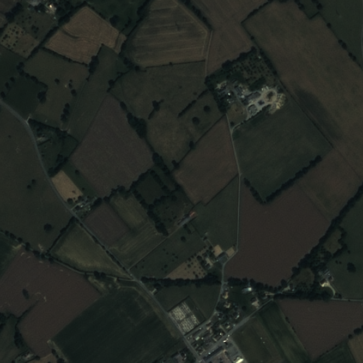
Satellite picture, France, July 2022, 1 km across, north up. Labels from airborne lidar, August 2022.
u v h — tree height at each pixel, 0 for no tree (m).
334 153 0
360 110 0
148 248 0
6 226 0
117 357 0
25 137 0
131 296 0
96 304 0
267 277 0
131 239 0
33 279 0
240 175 0
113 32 0
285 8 0
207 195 0
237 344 0
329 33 0
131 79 0
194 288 0
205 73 0
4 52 0
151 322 0
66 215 0
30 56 6
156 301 0
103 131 0
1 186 0
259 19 0
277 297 13
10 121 0
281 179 0
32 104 0
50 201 0
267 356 0
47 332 0
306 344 0
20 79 0
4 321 17
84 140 0
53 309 0
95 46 0
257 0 0
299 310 0
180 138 0
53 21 0
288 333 0
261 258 0
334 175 0
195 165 0
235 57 0
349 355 0
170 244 0
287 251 0
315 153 0
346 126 0
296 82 0
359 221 0
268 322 0
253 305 0
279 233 0
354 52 0
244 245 0
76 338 0
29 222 0
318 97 0
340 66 0
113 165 0
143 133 24
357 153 0
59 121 0
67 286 0
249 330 0
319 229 0
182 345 0
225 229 0
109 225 0
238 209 0
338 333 0
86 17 0
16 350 0
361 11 0
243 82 0
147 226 0
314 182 0
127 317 0
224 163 0
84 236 0
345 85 0
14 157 0
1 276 0
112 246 0
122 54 8
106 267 0
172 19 0
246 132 0
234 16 0
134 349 0
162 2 0
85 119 0
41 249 0
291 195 0
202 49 0
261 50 7
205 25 0
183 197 0
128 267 0
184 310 0
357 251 0
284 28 0
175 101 0
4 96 24
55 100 0
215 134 0
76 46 0
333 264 0
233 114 0
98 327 0
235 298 0
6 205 0
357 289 0
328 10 0
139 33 0
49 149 0
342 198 0
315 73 0
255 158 0
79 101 0
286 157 0
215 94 12
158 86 0
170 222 8
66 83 0
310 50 0
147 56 0
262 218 0
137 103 0
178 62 0
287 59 0
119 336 0
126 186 0
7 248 0
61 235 7
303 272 0
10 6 0
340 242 10
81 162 0
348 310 0
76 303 0
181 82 0
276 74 16
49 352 0
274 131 0
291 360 0
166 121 0
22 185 0
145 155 0
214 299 0
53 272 0
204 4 0
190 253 0
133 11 0
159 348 0
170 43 0
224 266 0
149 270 0
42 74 0
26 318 0
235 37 0
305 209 0
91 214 0
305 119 0
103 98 0
